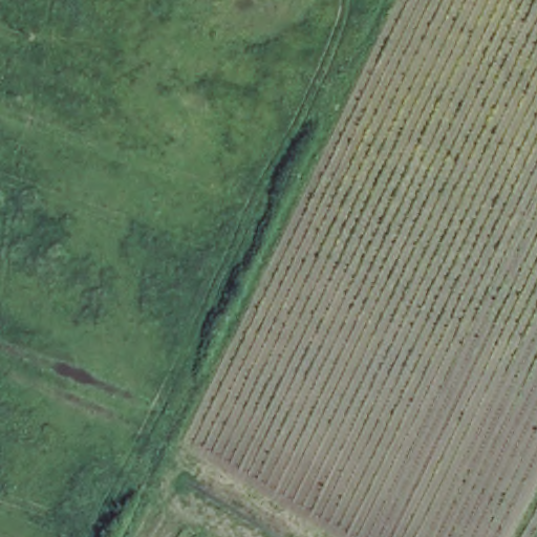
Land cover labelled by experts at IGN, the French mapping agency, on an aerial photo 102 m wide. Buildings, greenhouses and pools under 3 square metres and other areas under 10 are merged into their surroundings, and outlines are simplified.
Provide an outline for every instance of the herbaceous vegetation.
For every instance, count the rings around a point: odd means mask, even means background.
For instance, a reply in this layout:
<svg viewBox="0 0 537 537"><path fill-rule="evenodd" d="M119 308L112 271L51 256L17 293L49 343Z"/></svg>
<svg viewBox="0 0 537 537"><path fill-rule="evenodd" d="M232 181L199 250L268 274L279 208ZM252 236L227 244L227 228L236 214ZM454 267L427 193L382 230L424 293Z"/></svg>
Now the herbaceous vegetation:
<svg viewBox="0 0 537 537"><path fill-rule="evenodd" d="M124 506L134 495L138 499L149 499L153 503L145 514L134 537L172 537L174 533L180 533L182 522L201 524L206 527L206 531L218 533L220 537L331 537L329 533L321 531L319 527L306 522L292 510L277 503L275 499L233 478L214 464L199 459L195 449L185 441L191 422L214 378L199 369L206 357L206 348L210 344L212 323L227 308L239 275L248 269L256 250L260 248L262 235L273 218L279 199L279 178L287 164L296 157L298 147L308 136L325 149L396 0L0 0L0 537L109 537L109 524L124 512ZM199 491L187 489L187 480L214 487L222 497L233 499L239 508L245 508L256 518L271 522L271 531L264 533L243 522L239 516L227 512L218 503L210 501Z"/></svg>

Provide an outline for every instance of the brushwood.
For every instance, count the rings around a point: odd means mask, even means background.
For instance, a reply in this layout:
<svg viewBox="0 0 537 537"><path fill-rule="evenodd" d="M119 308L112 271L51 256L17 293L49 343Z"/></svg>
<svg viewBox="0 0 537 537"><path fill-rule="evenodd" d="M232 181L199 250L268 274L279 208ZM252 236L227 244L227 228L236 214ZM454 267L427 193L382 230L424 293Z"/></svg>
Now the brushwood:
<svg viewBox="0 0 537 537"><path fill-rule="evenodd" d="M109 537L134 537L145 514L153 503L149 499L138 499L134 495L124 506L124 512L109 524Z"/></svg>
<svg viewBox="0 0 537 537"><path fill-rule="evenodd" d="M273 218L262 235L260 248L256 250L248 269L239 275L227 308L212 323L210 344L206 348L206 357L199 369L214 378L216 367L224 357L237 327L243 321L252 296L325 149L308 136L298 147L296 157L287 164L279 178L279 199Z"/></svg>

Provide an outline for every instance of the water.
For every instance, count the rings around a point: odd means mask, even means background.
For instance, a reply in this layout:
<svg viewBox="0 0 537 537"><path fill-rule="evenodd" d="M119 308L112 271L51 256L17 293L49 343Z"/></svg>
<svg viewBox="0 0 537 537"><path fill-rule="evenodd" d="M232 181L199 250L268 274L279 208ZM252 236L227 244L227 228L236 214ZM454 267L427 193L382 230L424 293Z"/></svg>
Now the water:
<svg viewBox="0 0 537 537"><path fill-rule="evenodd" d="M222 497L214 487L187 480L187 489L199 491L210 501L218 503L227 512L239 516L243 522L264 533L271 531L271 522L256 518L245 508L239 508L233 499Z"/></svg>

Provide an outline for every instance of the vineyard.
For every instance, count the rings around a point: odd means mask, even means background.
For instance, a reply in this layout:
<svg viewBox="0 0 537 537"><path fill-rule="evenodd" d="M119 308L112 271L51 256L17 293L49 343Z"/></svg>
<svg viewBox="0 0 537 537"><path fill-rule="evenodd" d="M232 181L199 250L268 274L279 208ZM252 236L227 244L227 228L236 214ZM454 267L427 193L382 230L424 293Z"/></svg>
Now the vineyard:
<svg viewBox="0 0 537 537"><path fill-rule="evenodd" d="M199 459L214 464L233 478L275 499L277 503L292 510L306 522L319 527L321 531L329 533L331 537L537 537L537 0L396 0L325 149L252 296L243 321L237 327L224 357L216 367L214 378L191 422L185 441L195 449Z"/></svg>
<svg viewBox="0 0 537 537"><path fill-rule="evenodd" d="M206 531L206 527L201 524L182 522L180 533L174 533L172 537L220 537L218 533Z"/></svg>

